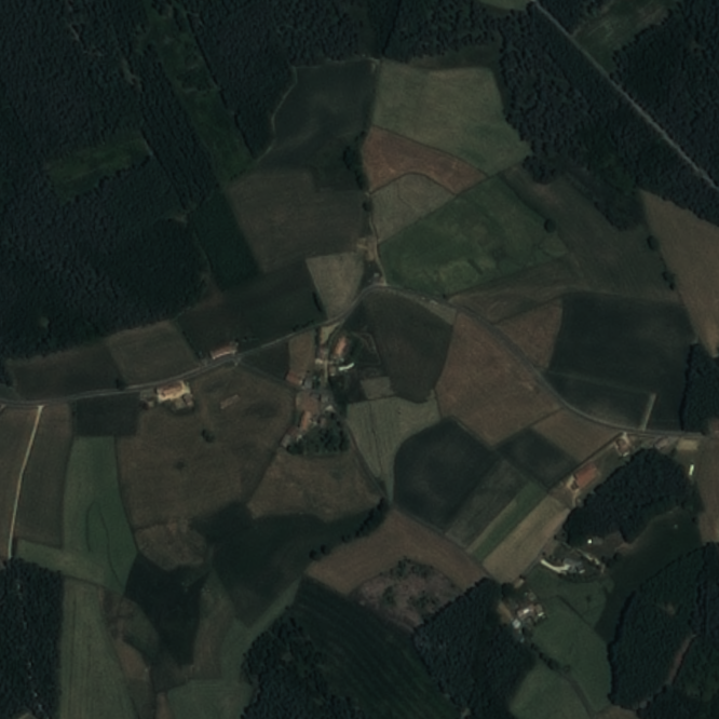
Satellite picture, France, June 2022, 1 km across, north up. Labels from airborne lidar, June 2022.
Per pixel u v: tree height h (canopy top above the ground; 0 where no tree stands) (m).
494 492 0
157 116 18
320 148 0
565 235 0
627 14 0
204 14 17
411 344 0
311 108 0
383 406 0
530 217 0
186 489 0
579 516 19
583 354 0
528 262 0
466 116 0
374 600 0
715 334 0
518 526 0
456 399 0
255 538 0
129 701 0
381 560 0
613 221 16
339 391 0
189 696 0
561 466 0
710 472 0
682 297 0
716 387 27
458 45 18
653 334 0
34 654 18
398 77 0
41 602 18
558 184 0
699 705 16
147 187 22
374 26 7
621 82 18
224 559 0
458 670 21
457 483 0
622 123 17
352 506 0
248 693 0
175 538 0
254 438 0
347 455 0
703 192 20
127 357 0
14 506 0
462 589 0
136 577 0
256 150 20
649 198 0
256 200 0
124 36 18
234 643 0
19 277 20
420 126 0
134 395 0
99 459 0
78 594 0
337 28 23
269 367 0
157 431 0
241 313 0
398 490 0
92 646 0
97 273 12
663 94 15
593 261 0
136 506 0
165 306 17
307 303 0
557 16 22
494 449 0
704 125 21
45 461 0
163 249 20
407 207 0
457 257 0
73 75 16
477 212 0
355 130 0
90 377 0
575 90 19
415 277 0
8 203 7
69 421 0
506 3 0
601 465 0
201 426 0
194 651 0
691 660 14
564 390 0
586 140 11
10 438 0
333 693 8
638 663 29
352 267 0
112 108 14
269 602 0
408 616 0
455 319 0
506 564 0
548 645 0
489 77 0
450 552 0
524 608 0
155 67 16
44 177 15
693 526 0
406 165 0
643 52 13
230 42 21
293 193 0
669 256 0
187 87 7
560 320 0
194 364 0
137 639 0
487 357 0
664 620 26
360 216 0
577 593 0
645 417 0
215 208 9
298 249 0
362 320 0
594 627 0
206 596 0
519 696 0
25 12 22
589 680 0
